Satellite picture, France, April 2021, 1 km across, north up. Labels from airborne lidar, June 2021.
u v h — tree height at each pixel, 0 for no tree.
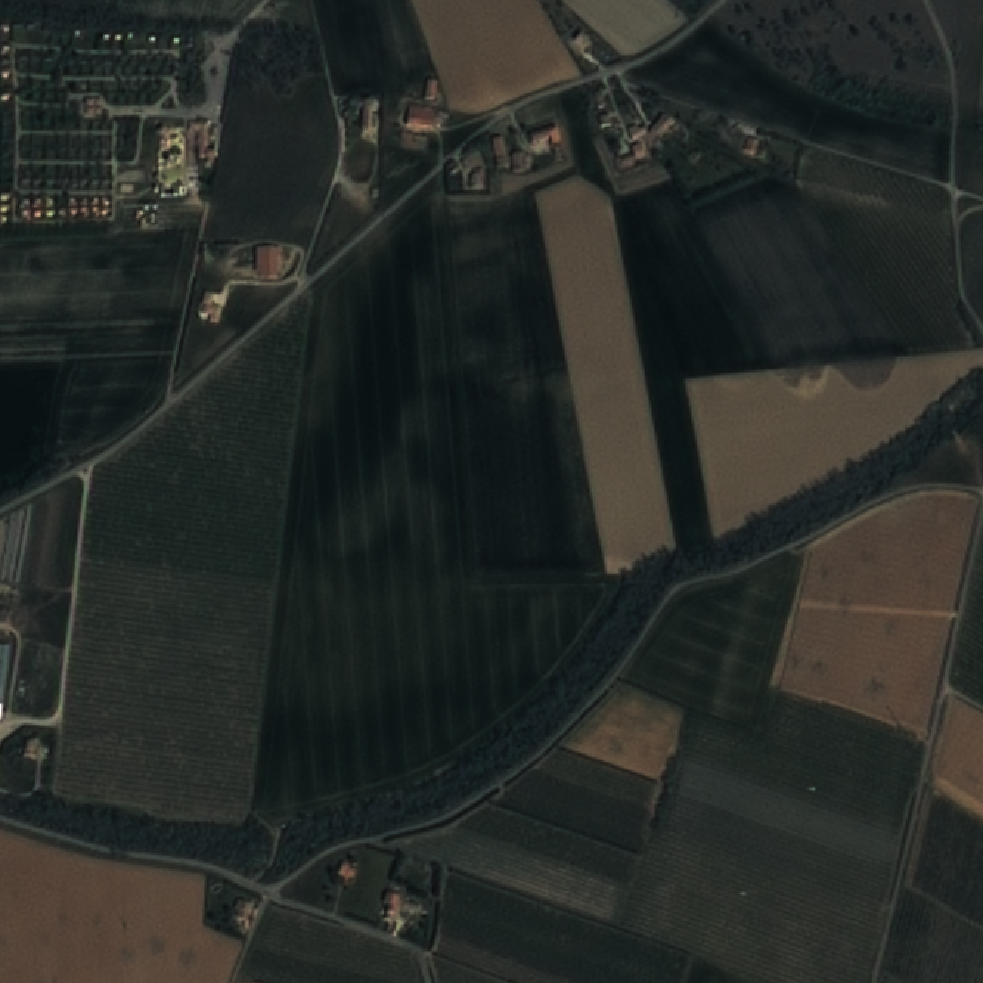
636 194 0
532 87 0
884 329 0
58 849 0
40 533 0
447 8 0
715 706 0
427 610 0
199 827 10
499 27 0
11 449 0
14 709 0
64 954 0
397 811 11
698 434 0
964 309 10
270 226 0
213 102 0
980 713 0
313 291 0
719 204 0
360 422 0
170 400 0
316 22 0
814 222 0
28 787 0
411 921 8
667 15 0
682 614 0
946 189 0
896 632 0
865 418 0
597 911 0
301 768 0
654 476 0
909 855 0
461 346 0
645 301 0
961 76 0
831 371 0
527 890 0
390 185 0
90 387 0
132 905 0
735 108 0
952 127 7
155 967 0
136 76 7
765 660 0
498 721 0
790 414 0
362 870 0
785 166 9
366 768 0
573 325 0
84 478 0
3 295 0
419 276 0
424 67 0
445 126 0
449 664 0
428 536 0
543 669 0
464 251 0
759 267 0
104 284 0
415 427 0
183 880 0
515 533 0
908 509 0
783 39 14
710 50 0
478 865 0
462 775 12
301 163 0
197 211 0
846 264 0
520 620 0
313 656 0
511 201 0
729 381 0
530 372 0
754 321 0
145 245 0
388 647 0
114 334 0
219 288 0
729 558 10
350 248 0
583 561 0
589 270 0
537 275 0
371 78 0
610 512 0
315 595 0
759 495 0
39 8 8
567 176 0
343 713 0
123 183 0
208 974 0
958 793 0
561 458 0
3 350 0
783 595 0
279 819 0
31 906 0
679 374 0
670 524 0
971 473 0
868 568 0
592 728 0
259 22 9
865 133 0
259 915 0
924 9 0
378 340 0
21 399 0
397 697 0
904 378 0
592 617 0
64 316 0
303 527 0
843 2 0
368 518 0
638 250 0
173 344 0
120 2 0
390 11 0
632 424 0
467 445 0
